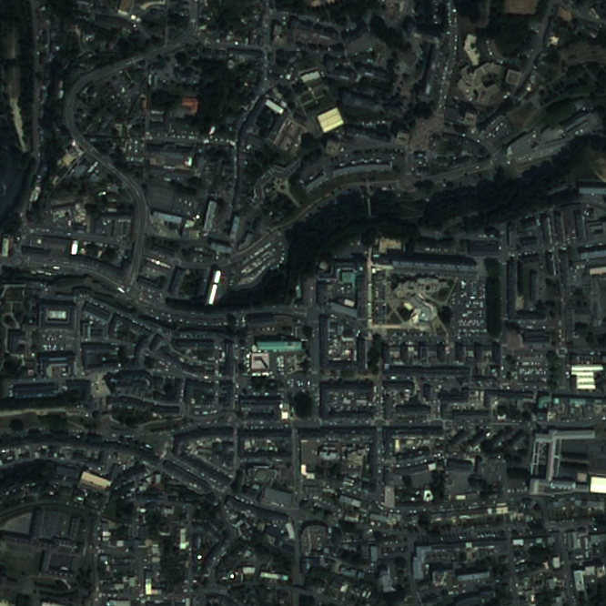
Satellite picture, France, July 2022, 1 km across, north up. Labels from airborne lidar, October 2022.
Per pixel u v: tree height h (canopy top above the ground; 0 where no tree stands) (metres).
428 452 9
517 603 0
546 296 0
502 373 0
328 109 0
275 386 13
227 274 0
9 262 0
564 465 12
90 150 0
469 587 0
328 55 0
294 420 0
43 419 16
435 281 0
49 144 18
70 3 11
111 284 0
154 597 0
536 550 15
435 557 6
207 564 0
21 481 11
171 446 0
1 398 11
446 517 0
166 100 10
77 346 0
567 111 0
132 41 11
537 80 0
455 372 0
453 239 11
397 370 0
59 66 15
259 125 9
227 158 6
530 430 0
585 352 0
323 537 0
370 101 0
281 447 8
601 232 0
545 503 0
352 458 0
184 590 0
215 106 21
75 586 6
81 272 0
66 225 0
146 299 0
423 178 0
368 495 0
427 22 12
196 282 7
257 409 0
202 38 0
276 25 0
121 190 9
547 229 0
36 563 0
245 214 0
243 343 14
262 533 18
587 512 0
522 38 0
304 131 0
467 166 0
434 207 14
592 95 8
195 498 6
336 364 0
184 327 0
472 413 0
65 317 0
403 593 20
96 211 16
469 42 0
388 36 18
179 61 17
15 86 0
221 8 8
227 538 9
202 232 0
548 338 0
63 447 0
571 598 0
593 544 0
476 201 31
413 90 7
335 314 0
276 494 0
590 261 0
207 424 0
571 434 0
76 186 8
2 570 13
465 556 9
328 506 0
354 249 0
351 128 0
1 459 9
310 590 0
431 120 0
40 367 0
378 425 0
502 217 14
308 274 18
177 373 0
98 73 0
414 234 22
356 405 0
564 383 0
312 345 0
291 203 15
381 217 7
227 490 0
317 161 18
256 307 11
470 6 18
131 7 0
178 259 0
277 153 7
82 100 10
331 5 10
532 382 6
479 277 0
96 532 0
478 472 0
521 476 11
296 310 0
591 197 0
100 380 0
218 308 12
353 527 17
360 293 0
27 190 13
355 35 0
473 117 0
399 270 0
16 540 0
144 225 0
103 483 0
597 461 0
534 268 0
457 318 0
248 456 0
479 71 0
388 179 0
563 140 0
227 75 7
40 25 0
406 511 0
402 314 7
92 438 16
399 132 0
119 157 13
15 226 14
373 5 16
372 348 7
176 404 0
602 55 0
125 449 0
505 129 0
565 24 12
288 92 13
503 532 7
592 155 0
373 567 0
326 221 19
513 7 0
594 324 0
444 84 0
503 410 9
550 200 21
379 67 0
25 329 0
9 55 0
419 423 0
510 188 22
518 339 0
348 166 0
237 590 7
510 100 14
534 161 0
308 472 0
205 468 0
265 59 0
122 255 0
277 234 0
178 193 12
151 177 13
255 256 0
